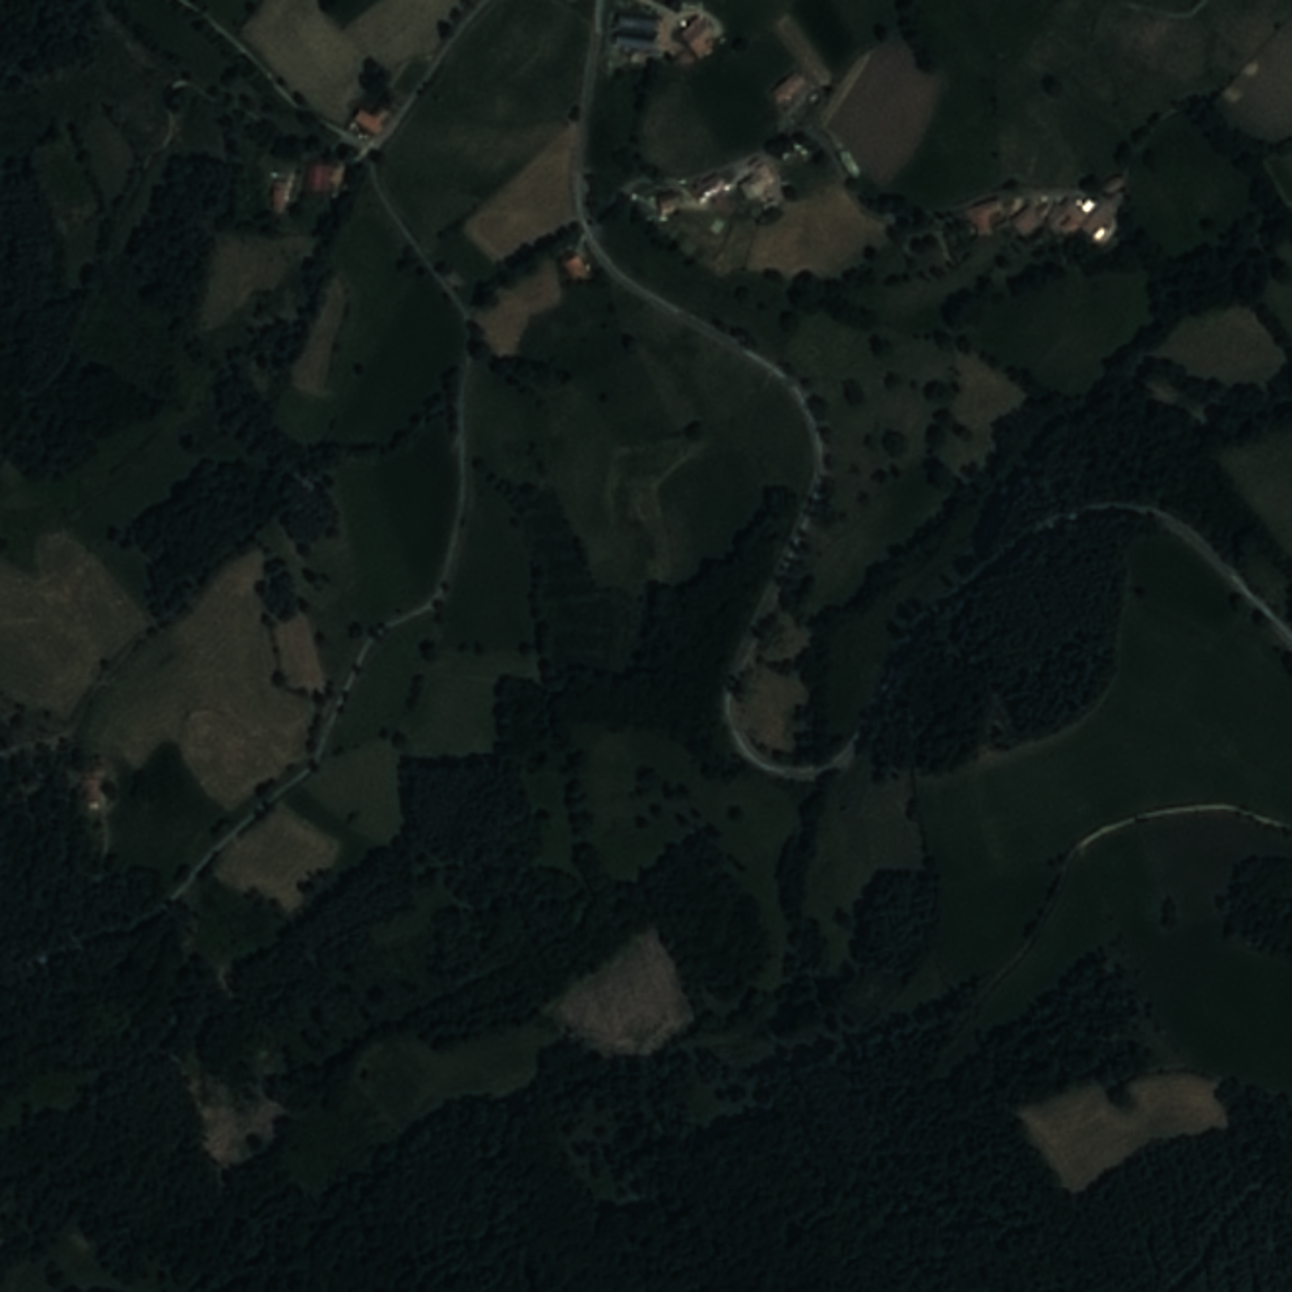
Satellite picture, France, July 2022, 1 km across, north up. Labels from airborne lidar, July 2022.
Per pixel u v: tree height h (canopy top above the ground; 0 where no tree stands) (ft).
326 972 57
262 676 0
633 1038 0
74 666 0
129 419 59
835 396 0
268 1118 0
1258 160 54
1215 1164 31
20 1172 45
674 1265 85
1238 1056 0
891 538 0
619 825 0
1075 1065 59
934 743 60
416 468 0
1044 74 0
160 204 47
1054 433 47
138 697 0
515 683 41
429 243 0
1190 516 49
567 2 0
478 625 0
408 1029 49
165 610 31
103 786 22
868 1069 73
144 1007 58
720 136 0
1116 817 0
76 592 0
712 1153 87
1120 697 0
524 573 0
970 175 0
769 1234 74
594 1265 82
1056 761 0
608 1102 46
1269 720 0
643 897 45
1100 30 0
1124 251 56
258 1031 55
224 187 64
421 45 0
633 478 0
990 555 59
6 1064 69
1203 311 48
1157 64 0
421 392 0
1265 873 36
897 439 52
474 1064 0
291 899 0
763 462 0
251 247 0
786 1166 75
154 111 0
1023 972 0
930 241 38
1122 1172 26
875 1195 68
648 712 68
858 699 0
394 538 0
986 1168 37
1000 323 0
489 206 0
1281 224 65
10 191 82
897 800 0
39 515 0
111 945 60
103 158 0
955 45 0
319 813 0
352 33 0
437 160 0
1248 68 0
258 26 0
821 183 0
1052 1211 31
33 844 35
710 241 0
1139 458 30
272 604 45
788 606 52
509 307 0
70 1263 0
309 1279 80
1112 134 0
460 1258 63
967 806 0
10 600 0
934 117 0
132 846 0
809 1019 65
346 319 0
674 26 0
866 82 0
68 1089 0
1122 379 70
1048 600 53
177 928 60
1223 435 62
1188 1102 0
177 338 33
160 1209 60
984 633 43
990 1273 69
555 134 0
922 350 0
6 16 46
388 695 0
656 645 52
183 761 0
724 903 67
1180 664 0
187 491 52
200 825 0
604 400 22
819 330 0
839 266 0
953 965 0
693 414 0
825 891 0
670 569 0
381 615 0
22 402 39
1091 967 46
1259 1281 46
